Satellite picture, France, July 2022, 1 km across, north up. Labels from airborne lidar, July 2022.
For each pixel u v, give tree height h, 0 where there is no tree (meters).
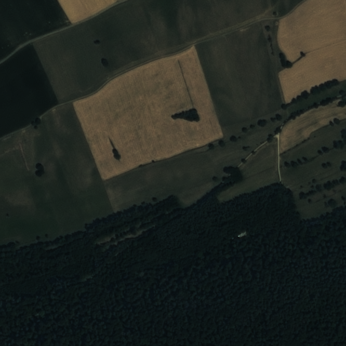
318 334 24
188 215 22
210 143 0
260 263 31
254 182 0
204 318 34
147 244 17
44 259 29
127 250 11
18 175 0
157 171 0
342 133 10
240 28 0
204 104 0
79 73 0
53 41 0
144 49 0
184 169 0
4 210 0
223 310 35
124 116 0
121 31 0
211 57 0
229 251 9
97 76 0
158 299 31
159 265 17
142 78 0
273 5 0
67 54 0
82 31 0
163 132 0
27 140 0
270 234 28
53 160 0
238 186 0
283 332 27
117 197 0
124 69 0
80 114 0
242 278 34
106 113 0
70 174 0
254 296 30
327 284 23
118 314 31
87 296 25
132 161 0
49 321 36
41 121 14
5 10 0
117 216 21
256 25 0
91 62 0
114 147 0
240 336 24
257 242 31
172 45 0
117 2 0
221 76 0
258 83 0
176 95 0
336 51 0
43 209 0
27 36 0
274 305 29
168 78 0
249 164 0
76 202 0
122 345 26
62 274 12
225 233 11
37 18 0
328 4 0
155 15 0
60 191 0
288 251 27
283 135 0
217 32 0
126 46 0
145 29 0
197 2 0
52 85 0
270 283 26
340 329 25
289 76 0
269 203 17
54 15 0
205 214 22
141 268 19
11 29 0
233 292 31
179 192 0
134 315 34
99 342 28
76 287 25
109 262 21
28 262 27
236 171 13
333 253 6
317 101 0
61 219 0
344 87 0
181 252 15
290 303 7
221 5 0
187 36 0
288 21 0
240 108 0
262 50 0
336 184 15
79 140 0
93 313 35
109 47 0
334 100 7
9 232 0
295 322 25
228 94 0
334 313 13
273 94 0
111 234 16
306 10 0
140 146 0
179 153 0
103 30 0
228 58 0
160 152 0
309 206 0
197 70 0
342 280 19
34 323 29
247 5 0
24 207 0
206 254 11
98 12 0
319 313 11
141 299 30
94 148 0
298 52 0
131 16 0
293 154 0
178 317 32
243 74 0
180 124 0
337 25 0
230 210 23
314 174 0
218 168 0
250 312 25
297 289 24
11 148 0
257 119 0
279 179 0
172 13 0
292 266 30
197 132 0
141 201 0
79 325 14
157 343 33
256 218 17
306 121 0
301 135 0
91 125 0
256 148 0
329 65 0
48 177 0
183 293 37
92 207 0
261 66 0
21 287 10
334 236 27
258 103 0
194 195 0
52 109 0
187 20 0
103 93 0
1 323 29
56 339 14
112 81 0
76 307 31
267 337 19
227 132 0
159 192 0
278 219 11
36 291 9
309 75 0
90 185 0
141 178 0
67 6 0
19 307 23
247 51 0
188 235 21
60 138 0
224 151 0
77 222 0
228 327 26
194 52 0
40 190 0
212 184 0
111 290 22
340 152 0
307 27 0
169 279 16
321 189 21
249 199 21
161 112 0
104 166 0
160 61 0
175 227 20
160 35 0
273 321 25
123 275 19
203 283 35
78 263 9
